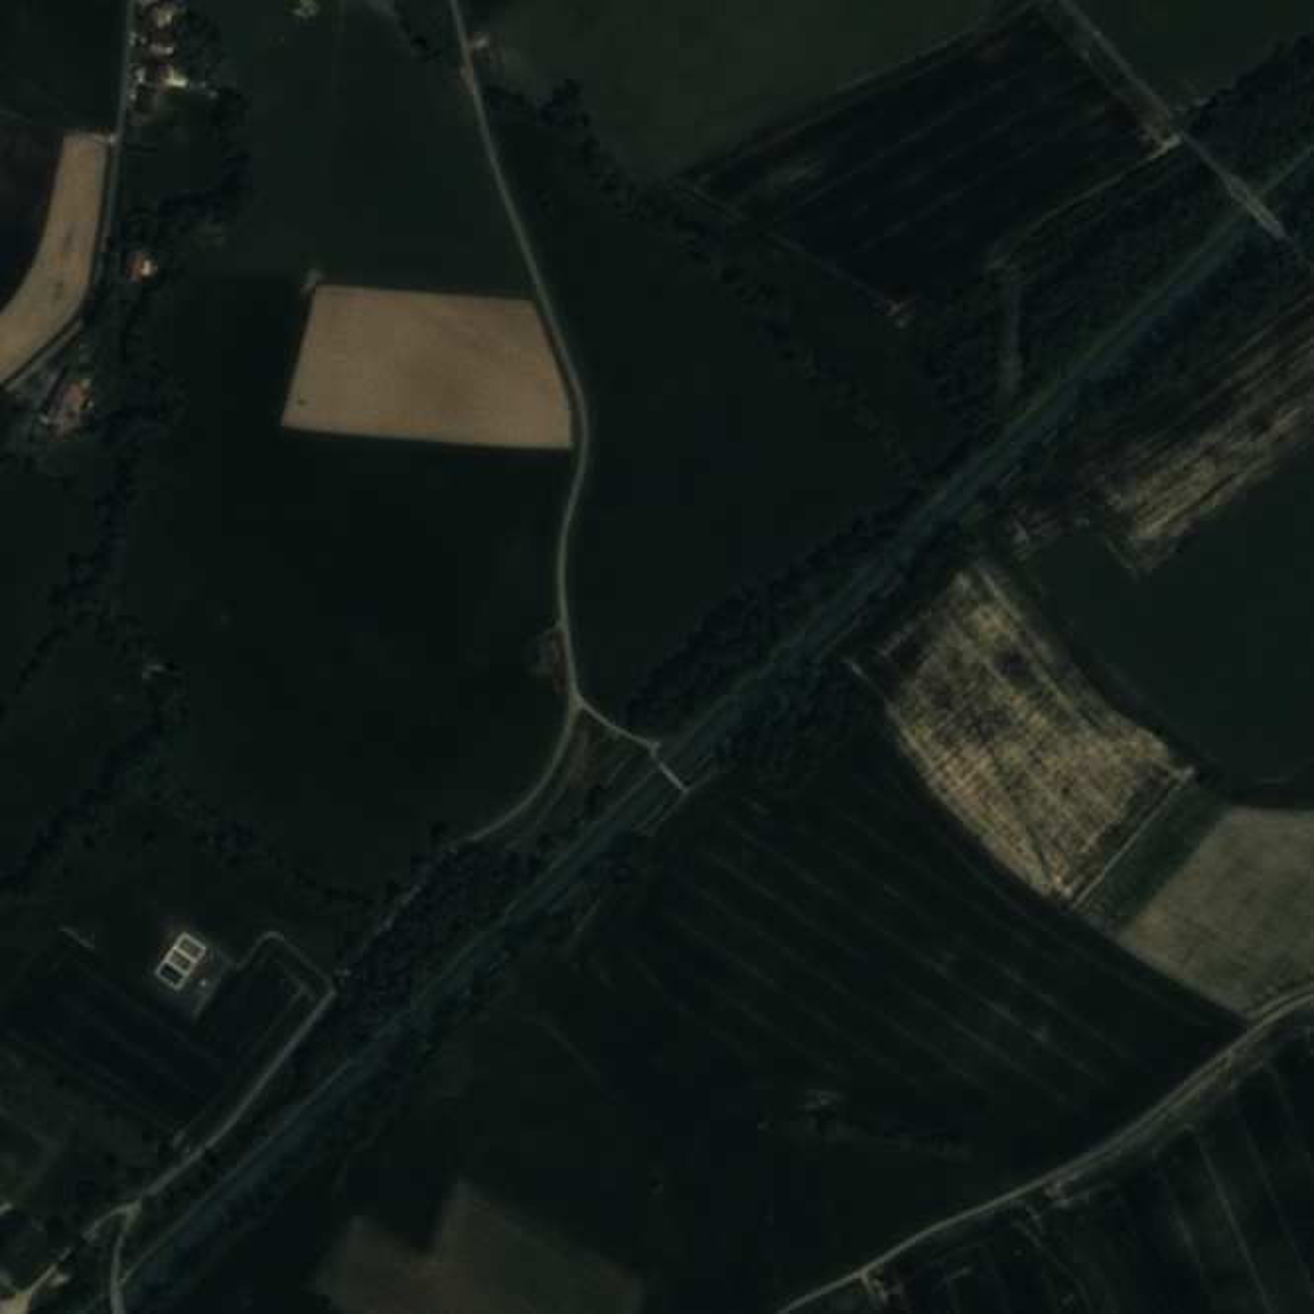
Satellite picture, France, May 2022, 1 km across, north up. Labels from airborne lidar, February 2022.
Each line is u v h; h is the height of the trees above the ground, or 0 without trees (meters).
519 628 0
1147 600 0
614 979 0
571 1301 0
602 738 0
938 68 0
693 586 0
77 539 0
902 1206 0
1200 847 0
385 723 0
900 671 0
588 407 0
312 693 0
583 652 0
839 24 0
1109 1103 0
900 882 0
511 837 0
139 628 10
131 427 19
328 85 0
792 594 21
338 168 0
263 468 0
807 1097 0
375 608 0
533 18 0
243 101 14
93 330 15
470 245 0
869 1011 0
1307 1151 0
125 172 0
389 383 0
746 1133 0
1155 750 0
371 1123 15
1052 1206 0
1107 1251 0
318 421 0
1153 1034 0
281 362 0
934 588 0
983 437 16
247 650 0
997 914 0
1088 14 0
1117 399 19
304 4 0
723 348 0
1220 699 0
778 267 0
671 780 0
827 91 0
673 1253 0
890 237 0
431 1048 17
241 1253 0
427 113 0
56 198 0
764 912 0
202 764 0
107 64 0
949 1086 0
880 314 0
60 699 0
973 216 0
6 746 0
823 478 0
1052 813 0
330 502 0
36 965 0
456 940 21
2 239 0
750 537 0
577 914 8
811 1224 0
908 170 0
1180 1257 0
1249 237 0
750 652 22
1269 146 21
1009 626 0
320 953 0
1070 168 0
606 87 0
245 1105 0
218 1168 25
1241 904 0
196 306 0
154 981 0
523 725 0
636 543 0
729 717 0
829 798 0
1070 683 0
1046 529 0
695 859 0
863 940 0
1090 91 0
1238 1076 0
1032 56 0
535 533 0
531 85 0
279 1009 0
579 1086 0
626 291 0
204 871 0
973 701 0
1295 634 0
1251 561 0
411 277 0
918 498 12
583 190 0
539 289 0
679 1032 0
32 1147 0
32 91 0
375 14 0
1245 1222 0
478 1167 0
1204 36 0
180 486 0
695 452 0
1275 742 0
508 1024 0
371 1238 0
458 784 0
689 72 0
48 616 0
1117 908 0
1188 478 0
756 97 0
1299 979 0
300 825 0
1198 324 24
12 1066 0
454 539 0
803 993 0
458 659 0
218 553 0
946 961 0
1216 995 0
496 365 0
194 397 0
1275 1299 0
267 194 0
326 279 0
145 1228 0
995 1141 0
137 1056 0
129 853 0
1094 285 24
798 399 0
